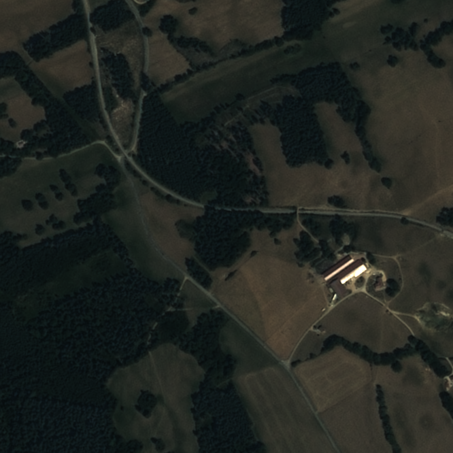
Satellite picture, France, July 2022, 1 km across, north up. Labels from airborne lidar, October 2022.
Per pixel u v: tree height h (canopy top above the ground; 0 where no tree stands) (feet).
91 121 69
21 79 77
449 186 0
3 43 0
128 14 59
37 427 119
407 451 0
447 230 0
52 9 0
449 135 0
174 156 45
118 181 24
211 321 55
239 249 25
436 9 0
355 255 0
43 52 52
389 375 0
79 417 114
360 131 69
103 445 94
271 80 0
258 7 0
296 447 0
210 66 71
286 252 0
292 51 74
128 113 0
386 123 0
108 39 0
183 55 0
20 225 0
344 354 0
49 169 0
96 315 75
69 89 0
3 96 0
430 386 0
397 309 0
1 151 43
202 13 0
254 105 0
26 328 52
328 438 0
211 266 84
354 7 0
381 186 0
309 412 0
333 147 0
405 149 0
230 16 0
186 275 0
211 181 45
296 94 0
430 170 0
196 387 0
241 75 0
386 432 32
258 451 79
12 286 39
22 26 0
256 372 0
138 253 0
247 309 0
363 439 0
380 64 0
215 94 0
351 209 0
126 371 0
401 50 45
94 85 33
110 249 69
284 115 78
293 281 0
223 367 33
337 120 0
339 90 78
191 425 0
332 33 0
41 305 24
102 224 76
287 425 0
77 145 77
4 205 0
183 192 57
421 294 0
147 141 61
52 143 46
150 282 84
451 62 0
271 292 0
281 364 0
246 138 67
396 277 0
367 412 0
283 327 0
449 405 75
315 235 46
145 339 69
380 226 0
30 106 0
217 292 0
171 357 0
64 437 115
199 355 23
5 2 0
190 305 0
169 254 0
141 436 0
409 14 0
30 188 0
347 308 0
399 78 0
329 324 0
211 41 0
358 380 0
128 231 0
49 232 0
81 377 44
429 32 0
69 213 0
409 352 76
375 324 0
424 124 0
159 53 0
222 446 76
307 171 0
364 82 0
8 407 72
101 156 0
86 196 0
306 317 0
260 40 0
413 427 0
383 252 0
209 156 32
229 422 86
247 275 0
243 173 50
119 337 89
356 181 0
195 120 0
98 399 45
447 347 0
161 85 0
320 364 0
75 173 0
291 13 65
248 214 61
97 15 49
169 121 63
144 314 60
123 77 62
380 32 0
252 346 0
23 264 48
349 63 0
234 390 85
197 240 24
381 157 0
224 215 73
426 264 0
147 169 52
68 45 58
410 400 0
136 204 0
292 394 0
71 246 51
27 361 52
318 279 0
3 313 54
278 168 0
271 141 0
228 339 0
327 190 0
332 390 0
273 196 0
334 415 0
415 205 0
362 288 0
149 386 0
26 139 67
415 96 0
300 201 0
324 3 60
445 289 0
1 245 59
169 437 0
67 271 37
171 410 0
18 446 66
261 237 0
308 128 93
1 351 64
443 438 0
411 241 0
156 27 0
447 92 0
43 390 38
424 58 0
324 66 25
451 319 0
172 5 0
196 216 0
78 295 66
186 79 41
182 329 23
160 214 0
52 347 62
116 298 50
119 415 0
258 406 0
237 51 0
